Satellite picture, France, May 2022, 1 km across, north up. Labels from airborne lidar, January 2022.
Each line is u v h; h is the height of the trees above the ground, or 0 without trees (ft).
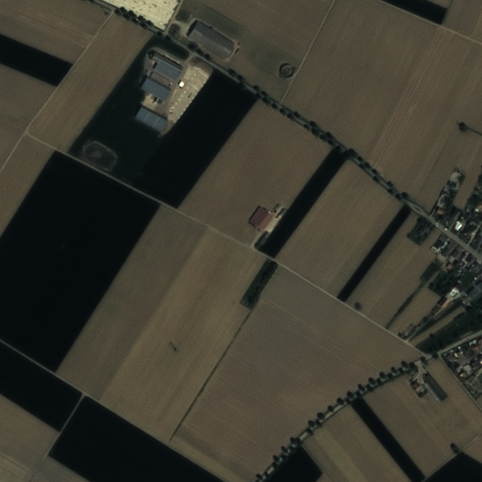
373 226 0
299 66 0
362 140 0
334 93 0
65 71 0
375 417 0
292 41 0
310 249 0
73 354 0
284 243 0
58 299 0
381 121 0
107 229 0
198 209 0
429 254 0
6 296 0
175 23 0
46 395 0
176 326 0
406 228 0
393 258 0
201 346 0
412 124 0
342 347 0
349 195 0
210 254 0
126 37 0
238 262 0
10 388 0
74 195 0
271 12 0
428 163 0
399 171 0
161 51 0
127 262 0
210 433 0
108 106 0
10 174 0
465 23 0
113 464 0
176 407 0
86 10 0
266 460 0
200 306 0
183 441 0
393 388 0
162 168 0
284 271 0
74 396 0
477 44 0
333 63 0
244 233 0
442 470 0
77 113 0
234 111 0
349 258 0
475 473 0
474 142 0
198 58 0
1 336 0
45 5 0
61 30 0
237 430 0
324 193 0
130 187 0
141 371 0
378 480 0
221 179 0
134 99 0
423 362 35
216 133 0
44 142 0
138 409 0
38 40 0
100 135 0
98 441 0
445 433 0
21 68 0
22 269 0
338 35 0
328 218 0
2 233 0
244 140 0
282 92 0
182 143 0
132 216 0
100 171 0
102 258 0
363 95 0
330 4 0
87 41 0
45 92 0
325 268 0
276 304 0
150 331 0
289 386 0
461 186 0
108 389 0
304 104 0
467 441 0
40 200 0
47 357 0
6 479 0
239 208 0
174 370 0
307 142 0
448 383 0
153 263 0
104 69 0
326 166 0
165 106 0
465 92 0
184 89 0
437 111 0
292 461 0
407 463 0
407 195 37
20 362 0
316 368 0
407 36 0
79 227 0
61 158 0
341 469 0
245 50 0
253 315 0
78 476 0
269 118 0
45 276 0
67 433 0
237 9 0
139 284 0
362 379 0
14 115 0
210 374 0
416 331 0
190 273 0
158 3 0
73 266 0
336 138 0
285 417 0
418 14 0
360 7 0
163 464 0
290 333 0
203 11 0
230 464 0
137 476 0
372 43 0
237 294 0
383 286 0
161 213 0
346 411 0
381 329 0
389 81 0
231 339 0
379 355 0
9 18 0
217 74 0
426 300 0
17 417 0
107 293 0
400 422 0
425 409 0
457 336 32
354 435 0
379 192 0
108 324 0
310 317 0
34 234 0
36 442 0
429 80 0
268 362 0
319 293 0
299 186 0
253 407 0
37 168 0
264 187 0
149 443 0
